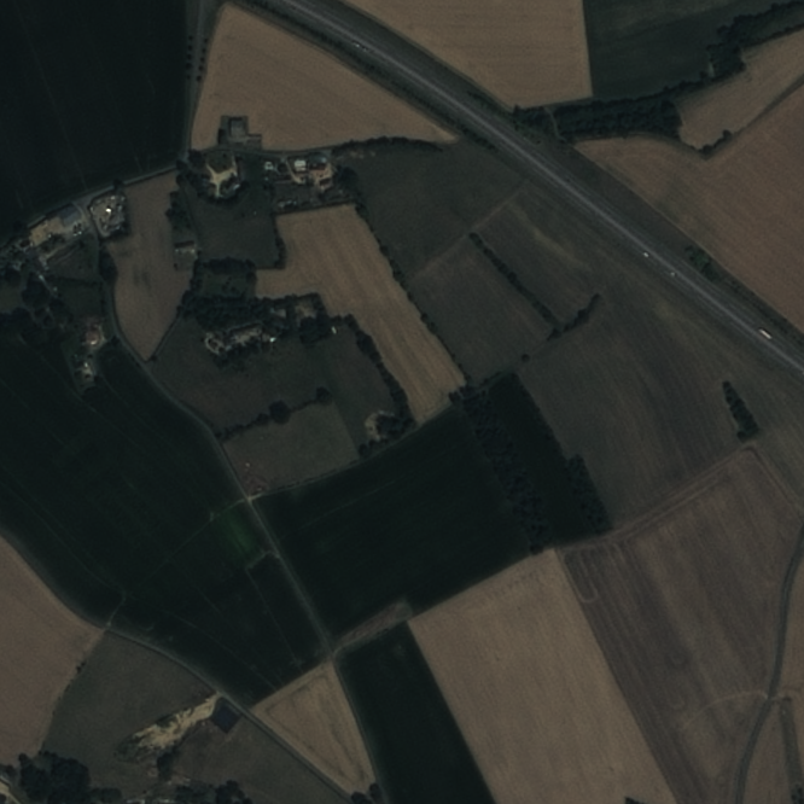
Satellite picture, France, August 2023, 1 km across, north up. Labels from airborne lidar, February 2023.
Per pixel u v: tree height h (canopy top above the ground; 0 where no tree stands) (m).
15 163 0
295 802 0
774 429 0
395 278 8
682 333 0
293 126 0
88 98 0
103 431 0
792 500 0
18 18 0
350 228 0
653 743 0
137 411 0
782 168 0
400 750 0
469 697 0
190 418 0
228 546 0
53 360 0
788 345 0
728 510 0
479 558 0
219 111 0
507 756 0
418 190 0
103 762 0
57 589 0
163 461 0
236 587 0
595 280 0
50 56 0
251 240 0
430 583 0
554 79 0
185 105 0
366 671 0
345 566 0
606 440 0
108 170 0
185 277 0
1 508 0
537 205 0
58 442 0
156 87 0
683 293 0
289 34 0
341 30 0
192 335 0
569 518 0
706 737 0
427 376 0
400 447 0
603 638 0
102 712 0
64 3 0
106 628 0
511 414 0
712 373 0
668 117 14
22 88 0
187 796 10
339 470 0
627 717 0
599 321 0
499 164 0
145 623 0
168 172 0
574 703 0
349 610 0
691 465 0
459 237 0
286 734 0
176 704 0
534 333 0
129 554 0
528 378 0
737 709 0
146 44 0
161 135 0
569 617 0
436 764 0
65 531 0
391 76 0
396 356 0
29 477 0
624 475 0
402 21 0
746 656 0
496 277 0
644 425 0
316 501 0
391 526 0
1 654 0
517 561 0
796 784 0
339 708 0
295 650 0
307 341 12
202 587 0
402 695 0
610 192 0
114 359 0
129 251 0
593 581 0
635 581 0
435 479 0
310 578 0
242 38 0
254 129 0
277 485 0
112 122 0
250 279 12
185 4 0
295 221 0
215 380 0
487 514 0
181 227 7
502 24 0
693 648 0
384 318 0
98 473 0
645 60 0
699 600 0
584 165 0
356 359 0
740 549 0
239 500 0
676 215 0
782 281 0
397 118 0
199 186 13
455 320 0
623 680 0
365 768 0
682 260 0
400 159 0
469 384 9
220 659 0
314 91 0
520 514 15
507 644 0
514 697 0
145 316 0
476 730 0
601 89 0
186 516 0
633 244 0
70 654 0
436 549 0
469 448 0
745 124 0
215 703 0
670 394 0
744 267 0
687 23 0
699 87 8
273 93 0
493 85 0
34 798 19
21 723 0
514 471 8
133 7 0
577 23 0
